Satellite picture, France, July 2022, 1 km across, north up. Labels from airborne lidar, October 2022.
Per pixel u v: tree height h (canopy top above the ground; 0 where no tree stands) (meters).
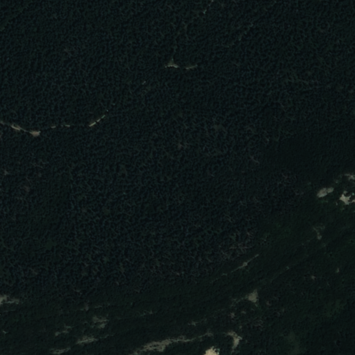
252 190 17
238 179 15
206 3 15
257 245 17
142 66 9
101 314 13
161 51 17
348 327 18
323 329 28
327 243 22
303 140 14
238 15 23
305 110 13
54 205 9
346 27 13
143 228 19
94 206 11
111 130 13
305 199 13
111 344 18
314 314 6
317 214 16
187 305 15
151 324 17
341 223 14
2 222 18
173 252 14
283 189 22
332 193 14
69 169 16
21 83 21
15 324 17
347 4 14
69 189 7
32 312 17
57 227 9
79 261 28
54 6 11
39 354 13
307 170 19
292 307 22
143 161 17
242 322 11
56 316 22
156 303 18
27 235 21
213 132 19
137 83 15
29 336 15
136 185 19
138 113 9
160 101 13
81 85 15
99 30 11
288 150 16
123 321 14
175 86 16
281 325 22
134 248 26
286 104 17
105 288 21
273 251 15
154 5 25
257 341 20
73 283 34
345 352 30
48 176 25
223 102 8
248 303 13
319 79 13
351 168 10
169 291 14
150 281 24
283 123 17
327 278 15
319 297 22
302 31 8
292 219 16
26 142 22
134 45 6
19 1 22
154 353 9
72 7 20
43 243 15
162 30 13
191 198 16
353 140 12
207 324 12
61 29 14
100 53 22
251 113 26
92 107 18
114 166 15
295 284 19
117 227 28
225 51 12
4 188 20
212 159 12
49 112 20
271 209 15
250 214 17
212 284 10
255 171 7
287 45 19
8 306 7
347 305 10
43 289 18
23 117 20
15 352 14
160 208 14
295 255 18
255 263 17
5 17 25
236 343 0
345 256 15
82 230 10
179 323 16
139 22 13
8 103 20
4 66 23
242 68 9
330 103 15
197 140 11
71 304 20
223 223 16
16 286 14
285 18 13
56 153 25
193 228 18
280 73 11
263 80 16
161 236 26
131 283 24
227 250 15
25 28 8
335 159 21
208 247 21
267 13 15
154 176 18
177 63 13
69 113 18
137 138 16
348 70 14
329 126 12
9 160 21
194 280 21
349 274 23
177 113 18
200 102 19
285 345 9
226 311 7
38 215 15
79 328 15
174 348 13
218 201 11
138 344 13
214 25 9
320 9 18
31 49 20
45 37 14
